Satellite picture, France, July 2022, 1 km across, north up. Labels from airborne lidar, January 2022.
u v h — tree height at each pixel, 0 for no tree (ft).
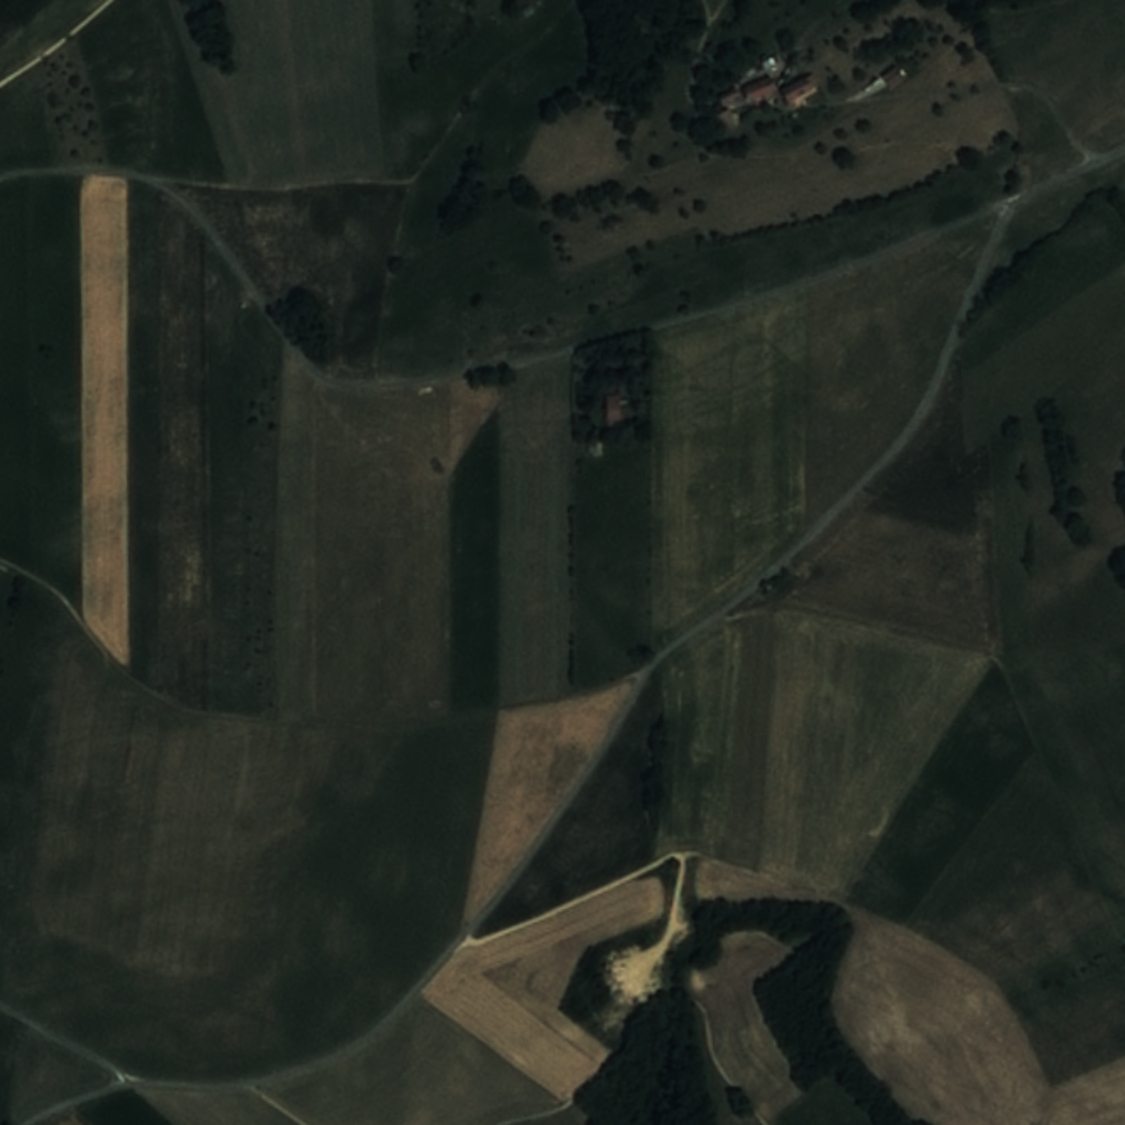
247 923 0
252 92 0
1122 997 0
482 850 0
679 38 49
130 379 0
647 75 62
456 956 0
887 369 0
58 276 0
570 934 0
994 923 0
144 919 0
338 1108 0
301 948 0
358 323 0
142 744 0
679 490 0
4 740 0
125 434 0
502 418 0
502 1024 0
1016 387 0
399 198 0
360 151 0
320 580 0
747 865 0
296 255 0
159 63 0
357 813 0
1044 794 0
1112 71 0
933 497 0
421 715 0
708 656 0
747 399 0
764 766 0
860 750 0
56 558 0
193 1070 0
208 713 0
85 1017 0
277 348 0
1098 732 0
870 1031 0
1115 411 0
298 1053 0
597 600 0
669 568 0
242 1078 0
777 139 0
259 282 0
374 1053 0
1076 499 47
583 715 0
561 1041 0
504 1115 0
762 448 0
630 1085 76
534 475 0
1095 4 0
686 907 0
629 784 0
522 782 0
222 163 0
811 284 0
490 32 0
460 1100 0
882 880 0
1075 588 0
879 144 0
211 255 0
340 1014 0
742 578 0
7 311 0
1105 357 0
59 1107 0
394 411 0
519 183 38
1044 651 0
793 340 0
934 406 0
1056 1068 0
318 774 0
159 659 0
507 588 0
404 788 0
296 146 0
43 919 0
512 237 0
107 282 0
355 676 0
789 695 0
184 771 0
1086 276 0
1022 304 0
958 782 0
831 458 0
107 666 0
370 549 0
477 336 0
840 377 0
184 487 0
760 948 0
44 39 0
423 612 0
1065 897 0
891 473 0
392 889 0
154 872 0
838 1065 49
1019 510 0
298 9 0
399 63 0
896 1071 0
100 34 0
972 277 0
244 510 0
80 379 0
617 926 0
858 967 0
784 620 0
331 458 0
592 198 41
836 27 0
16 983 0
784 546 0
